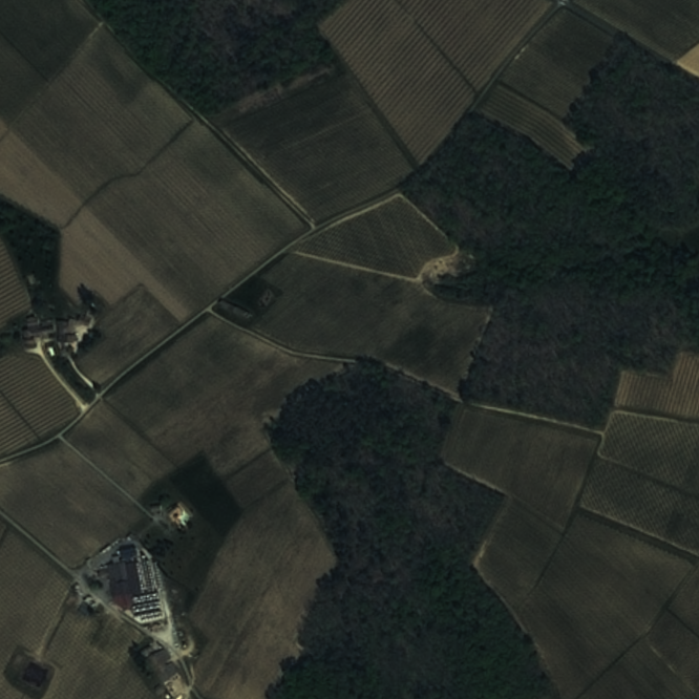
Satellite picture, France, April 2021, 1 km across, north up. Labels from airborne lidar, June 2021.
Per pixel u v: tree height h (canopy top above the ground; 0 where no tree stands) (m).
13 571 0
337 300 0
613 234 22
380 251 0
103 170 0
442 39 0
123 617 0
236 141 0
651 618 0
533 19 0
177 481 0
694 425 0
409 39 0
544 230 23
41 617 0
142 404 0
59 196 0
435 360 0
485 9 0
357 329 0
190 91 16
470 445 0
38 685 0
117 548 0
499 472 0
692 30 0
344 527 14
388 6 0
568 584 0
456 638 22
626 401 0
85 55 0
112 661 0
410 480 11
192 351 0
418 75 0
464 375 0
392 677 20
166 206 0
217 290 0
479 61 0
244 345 0
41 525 0
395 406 18
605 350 17
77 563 0
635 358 14
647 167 10
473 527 18
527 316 17
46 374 0
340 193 0
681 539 0
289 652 0
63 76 0
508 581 0
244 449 0
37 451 0
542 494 0
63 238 0
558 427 0
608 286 26
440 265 0
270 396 0
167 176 0
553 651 0
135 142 0
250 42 26
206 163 0
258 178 0
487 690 24
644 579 0
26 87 0
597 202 22
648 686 0
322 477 19
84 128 0
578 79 0
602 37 0
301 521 0
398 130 0
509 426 0
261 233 0
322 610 16
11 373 0
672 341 20
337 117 0
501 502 12
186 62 22
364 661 29
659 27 0
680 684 0
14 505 0
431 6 0
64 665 0
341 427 23
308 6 21
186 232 0
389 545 16
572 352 15
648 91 23
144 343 0
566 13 0
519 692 24
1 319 0
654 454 0
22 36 0
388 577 19
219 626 0
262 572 0
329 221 0
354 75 0
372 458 17
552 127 0
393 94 0
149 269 0
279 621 0
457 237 17
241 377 0
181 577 0
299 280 0
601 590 0
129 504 0
